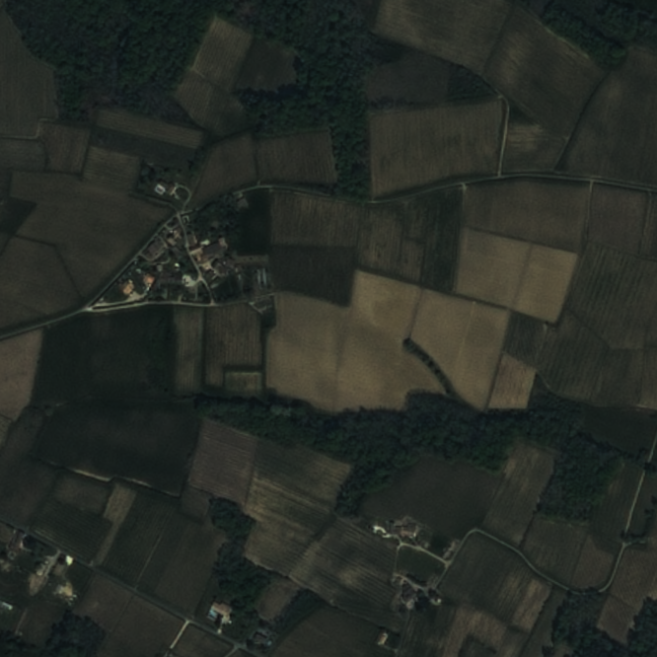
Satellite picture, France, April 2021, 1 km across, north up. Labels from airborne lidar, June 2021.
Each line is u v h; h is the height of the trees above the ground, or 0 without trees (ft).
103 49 39
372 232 0
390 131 0
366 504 0
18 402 0
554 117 0
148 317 0
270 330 0
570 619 50
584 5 23
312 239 0
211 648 0
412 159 0
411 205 0
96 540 0
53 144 0
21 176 0
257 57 0
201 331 0
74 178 0
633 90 0
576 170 0
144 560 0
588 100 0
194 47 75
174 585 0
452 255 0
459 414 81
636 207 0
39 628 0
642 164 0
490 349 0
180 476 0
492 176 0
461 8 0
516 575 0
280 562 0
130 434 0
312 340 0
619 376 0
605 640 60
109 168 0
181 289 29
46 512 0
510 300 0
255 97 47
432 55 0
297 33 39
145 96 57
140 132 0
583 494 71
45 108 0
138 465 0
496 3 0
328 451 57
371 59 46
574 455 49
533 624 0
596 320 0
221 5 81
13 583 0
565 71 0
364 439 82
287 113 75
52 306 0
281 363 0
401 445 83
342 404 0
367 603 0
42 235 0
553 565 0
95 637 49
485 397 0
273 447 0
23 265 0
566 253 0
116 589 0
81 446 0
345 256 0
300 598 39
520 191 0
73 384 0
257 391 0
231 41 0
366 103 43
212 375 0
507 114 0
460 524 0
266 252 0
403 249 0
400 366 0
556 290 0
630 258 0
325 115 69
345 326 0
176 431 0
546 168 0
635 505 0
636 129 0
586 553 0
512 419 53
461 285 0
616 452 78
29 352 0
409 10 0
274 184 0
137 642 0
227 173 0
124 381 0
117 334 0
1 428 0
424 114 0
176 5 79
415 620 0
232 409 40
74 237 0
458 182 0
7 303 0
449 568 0
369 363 0
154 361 0
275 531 0
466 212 0
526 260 0
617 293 0
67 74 51
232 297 35
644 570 0
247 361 0
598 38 76
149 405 0
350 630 0
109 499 0
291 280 0
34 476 0
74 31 57
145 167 34
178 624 0
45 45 61
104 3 66
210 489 0
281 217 0
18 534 0
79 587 0
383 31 0
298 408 58
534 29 0
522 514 0
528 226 0
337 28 54
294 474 0
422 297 0
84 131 0
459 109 0
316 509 0
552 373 0
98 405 0
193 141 0
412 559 0
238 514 38
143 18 84
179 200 0
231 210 21
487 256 0
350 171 51
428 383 0
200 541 0
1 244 0
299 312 0
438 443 82
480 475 0
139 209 0
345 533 0
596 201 0
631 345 0
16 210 0
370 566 0
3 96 0
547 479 0
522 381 0
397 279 0
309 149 0
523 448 0
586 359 0
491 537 0
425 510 0
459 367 0
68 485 0
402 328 0
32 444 0
